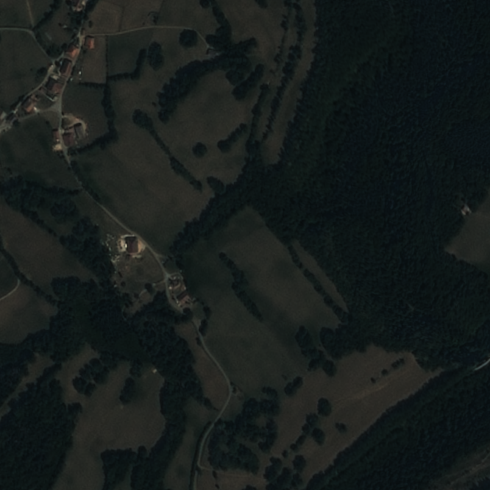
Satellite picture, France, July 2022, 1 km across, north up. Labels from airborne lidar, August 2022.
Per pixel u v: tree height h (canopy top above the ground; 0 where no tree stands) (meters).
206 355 0
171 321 23
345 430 14
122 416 0
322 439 17
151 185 0
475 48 29
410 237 37
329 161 29
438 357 14
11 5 0
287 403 0
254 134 8
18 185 23
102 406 0
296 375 0
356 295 15
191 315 16
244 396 0
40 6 0
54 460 14
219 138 0
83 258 29
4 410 0
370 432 17
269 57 0
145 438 0
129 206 0
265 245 0
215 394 0
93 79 0
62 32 0
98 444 0
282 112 0
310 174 25
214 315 0
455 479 0
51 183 0
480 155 24
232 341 0
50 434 18
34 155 0
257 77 11
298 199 19
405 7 27
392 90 27
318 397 0
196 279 0
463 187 14
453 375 15
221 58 17
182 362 20
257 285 0
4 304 0
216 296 0
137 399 0
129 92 0
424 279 23
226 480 0
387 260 24
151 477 18
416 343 13
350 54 16
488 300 23
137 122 18
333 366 20
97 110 0
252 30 0
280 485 22
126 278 0
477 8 20
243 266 0
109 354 13
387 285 41
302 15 22
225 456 22
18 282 0
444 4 21
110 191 0
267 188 26
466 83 41
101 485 0
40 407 21
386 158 15
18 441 30
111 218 0
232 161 0
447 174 19
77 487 0
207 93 0
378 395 0
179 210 0
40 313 0
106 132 0
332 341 19
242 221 0
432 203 33
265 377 0
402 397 0
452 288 20
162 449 27
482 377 29
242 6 0
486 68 33
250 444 0
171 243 0
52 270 0
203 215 11
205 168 0
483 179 19
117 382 0
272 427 21
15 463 22
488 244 0
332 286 0
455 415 21
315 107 17
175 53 0
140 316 20
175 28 0
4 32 0
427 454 12
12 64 0
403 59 27
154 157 0
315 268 0
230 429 21
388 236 13
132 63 0
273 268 0
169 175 0
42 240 0
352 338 20
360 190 28
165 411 21
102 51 0
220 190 18
